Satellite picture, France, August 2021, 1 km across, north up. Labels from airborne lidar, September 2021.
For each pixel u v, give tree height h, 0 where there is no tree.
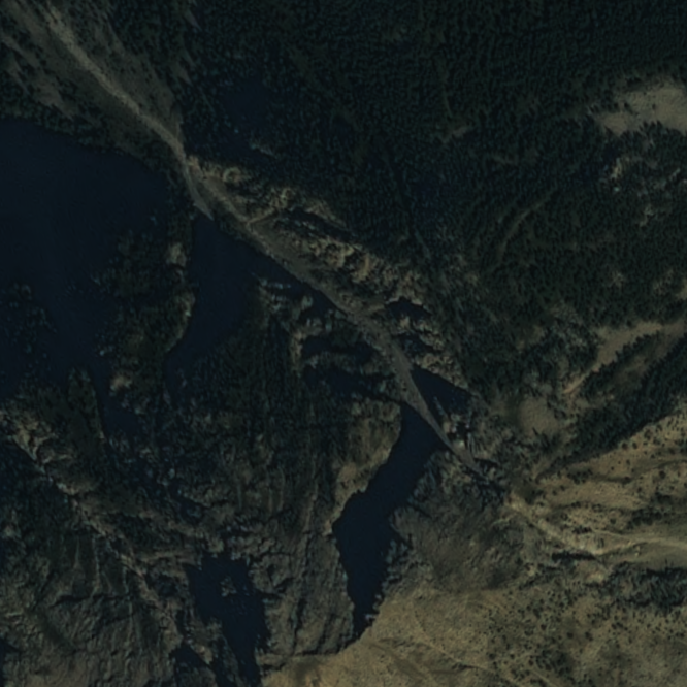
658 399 6
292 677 0
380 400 14
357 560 0
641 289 10
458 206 7
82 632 0
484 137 11
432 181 7
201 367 9
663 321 7
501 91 12
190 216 6
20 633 0
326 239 7
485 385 11
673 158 8
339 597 0
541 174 9
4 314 6
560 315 0
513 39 28
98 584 0
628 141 12
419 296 6
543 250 11
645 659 0
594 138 11
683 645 0
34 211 0
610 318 12
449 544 0
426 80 17
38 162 0
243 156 9
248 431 9
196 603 0
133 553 0
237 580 0
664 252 11
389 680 0
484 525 0
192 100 8
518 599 0
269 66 7
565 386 8
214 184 0
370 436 0
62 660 0
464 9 23
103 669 0
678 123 0
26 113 19
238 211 0
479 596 0
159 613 0
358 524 0
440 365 6
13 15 0
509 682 7
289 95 7
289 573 0
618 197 8
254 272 9
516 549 0
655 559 0
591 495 0
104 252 6
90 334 9
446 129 10
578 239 9
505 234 8
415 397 0
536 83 15
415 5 16
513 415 0
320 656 0
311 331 0
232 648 0
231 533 0
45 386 7
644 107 0
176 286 10
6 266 6
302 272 0
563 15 17
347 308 0
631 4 26
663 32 18
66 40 0
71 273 9
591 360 16
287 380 9
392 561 0
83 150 18
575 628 0
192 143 7
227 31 7
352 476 0
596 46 14
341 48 22
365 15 7
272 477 0
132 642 0
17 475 9
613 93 10
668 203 11
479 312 7
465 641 0
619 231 8
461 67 15
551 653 5
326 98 10
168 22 18
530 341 0
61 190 0
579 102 12
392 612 0
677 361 15
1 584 0
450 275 9
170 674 0
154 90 0
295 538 0
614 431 14
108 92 0
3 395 7
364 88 19
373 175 6
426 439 0
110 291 12
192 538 0
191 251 10
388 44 8
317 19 17
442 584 0
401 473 0
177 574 0
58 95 0
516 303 8
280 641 0
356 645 0
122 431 8
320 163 9
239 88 11
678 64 17
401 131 12
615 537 0
